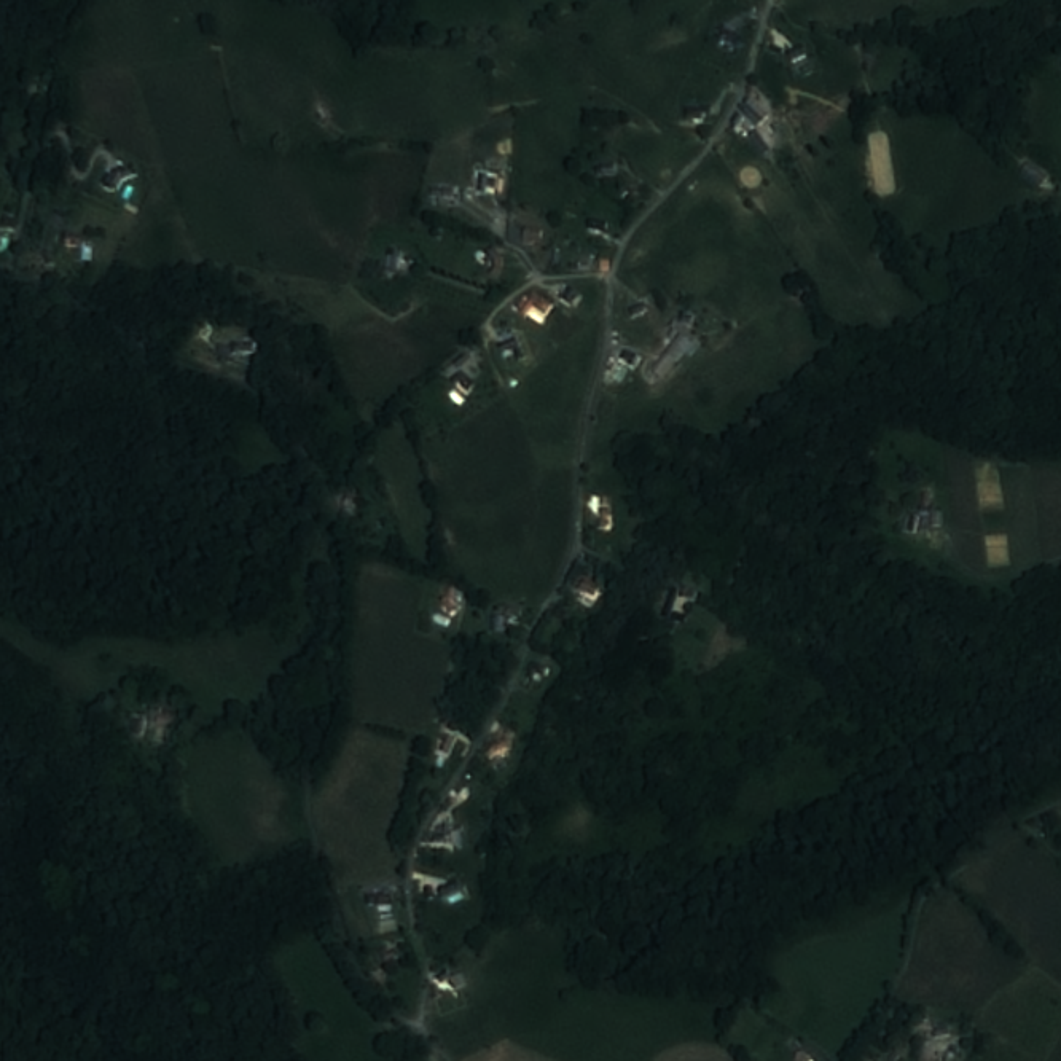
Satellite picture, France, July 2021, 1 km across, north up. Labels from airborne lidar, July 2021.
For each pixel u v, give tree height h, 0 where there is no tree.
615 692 28
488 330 0
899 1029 12
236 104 0
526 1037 0
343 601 16
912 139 0
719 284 0
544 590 0
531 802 18
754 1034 0
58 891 28
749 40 0
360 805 0
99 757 18
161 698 20
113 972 24
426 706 0
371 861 0
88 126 0
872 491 22
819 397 12
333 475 11
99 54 0
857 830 18
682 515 12
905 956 8
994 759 29
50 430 23
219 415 21
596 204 0
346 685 14
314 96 0
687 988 25
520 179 0
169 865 20
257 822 0
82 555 31
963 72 30
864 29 14
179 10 0
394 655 0
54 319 26
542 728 12
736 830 0
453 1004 0
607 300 0
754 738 8
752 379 0
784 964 0
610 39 0
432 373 8
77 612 21
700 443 26
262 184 0
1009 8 9
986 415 27
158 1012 16
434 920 0
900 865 25
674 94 0
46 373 26
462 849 0
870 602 25
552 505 0
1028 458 23
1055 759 13
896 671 22
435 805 18
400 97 0
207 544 31
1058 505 0
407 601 0
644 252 0
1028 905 0
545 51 0
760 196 0
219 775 0
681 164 0
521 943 0
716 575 10
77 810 10
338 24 10
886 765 17
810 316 9
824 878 25
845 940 0
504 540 0
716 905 30
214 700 0
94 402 22
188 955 10
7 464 34
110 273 6
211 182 0
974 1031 8
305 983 0
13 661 6
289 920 13
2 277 21
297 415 22
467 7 0
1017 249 28
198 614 14
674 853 13
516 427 0
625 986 28
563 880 12
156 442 27
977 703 11
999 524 0
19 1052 25
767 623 21
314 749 21
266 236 0
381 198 0
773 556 19
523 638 17
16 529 15
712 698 9
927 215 0
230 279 12
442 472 0
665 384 0
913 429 24
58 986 9
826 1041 0
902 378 22
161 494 22
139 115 0
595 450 0
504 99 0
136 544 29
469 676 16
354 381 0
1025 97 15
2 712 21
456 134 0
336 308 0
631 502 13
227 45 0
